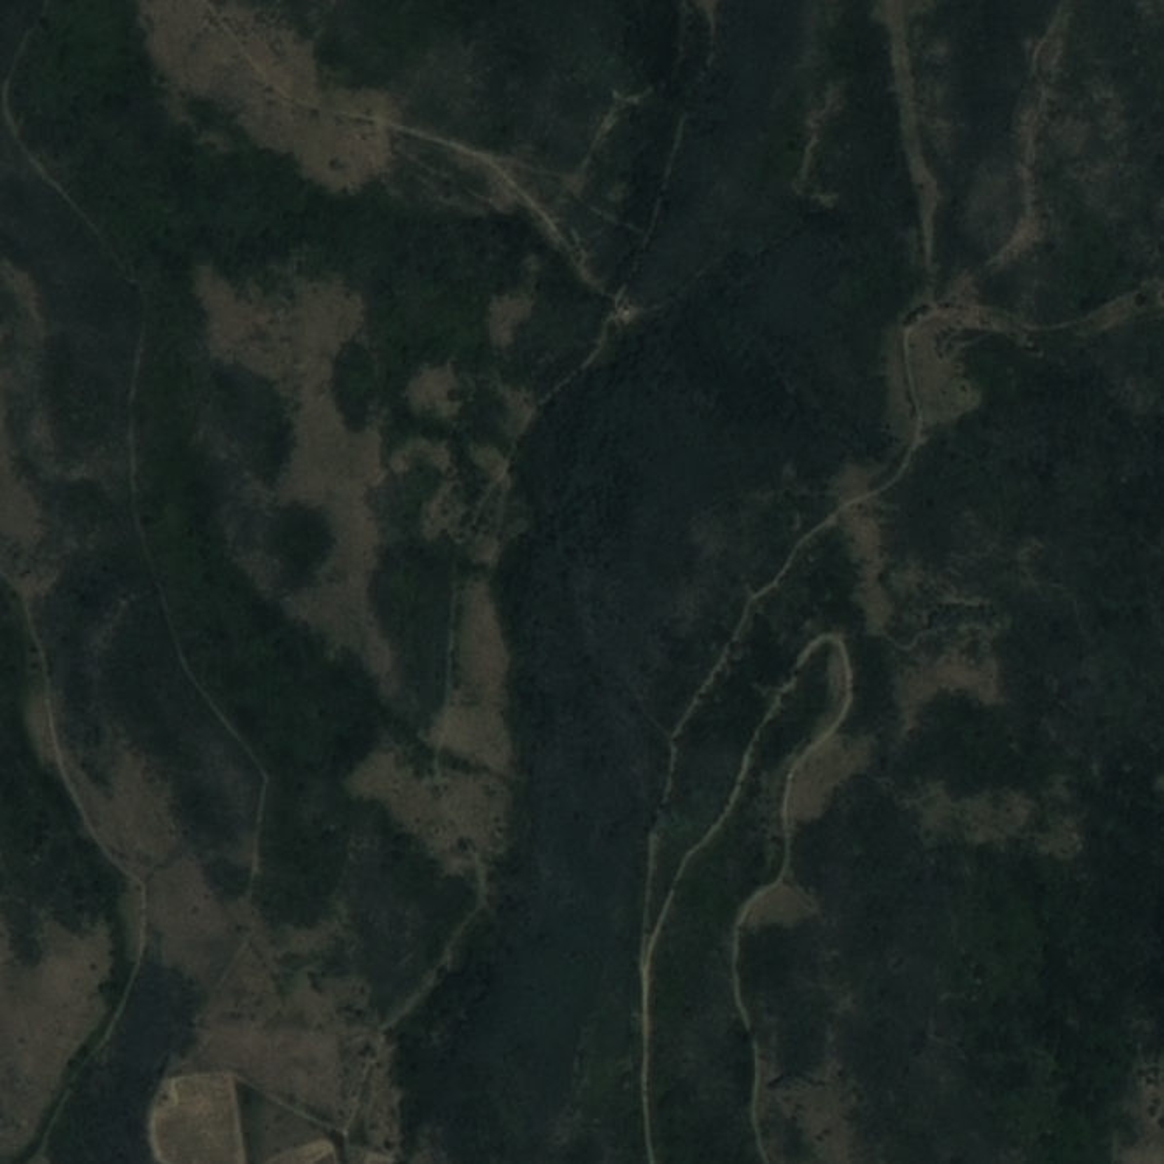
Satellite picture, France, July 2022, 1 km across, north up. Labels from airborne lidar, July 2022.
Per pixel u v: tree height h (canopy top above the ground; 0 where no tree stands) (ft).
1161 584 21
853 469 0
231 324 0
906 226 19
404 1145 23
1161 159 31
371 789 0
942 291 0
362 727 21
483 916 21
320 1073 0
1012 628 25
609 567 27
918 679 0
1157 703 27
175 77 0
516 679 25
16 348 0
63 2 0
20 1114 0
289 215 33
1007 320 0
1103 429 23
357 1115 0
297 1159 0
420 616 22
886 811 19
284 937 0
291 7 0
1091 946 18
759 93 0
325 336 0
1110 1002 19
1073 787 30
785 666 22
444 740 0
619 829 23
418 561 35
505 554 19
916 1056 21
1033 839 18
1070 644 23
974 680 0
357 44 0
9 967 0
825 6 0
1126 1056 20
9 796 20
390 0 0
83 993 0
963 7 21
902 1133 0
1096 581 26
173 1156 0
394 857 31
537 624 33
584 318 22
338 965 24
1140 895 30
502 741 0
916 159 0
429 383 0
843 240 26
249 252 19
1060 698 28
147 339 0
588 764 18
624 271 20
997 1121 20
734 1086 22
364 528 0
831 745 0
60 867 22
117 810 0
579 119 0
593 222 0
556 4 0
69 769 0
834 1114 0
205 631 20
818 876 22
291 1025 0
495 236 26
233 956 0
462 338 0
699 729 37
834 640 0
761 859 30
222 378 21
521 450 36
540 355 25
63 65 19
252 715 22
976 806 0
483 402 31
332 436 0
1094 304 22
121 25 0
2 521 0
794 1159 0
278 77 0
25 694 0
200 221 21
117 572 18
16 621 0
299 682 26
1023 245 0
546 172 0
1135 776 32
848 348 18
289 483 0
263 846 0
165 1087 0
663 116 25
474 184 0
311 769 28
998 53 0
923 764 18
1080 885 19
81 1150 18
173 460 25
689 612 0
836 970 0
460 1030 24
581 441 27
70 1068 33
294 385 0
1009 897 20
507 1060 17
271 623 28
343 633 0
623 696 19
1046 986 35
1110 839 31
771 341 23
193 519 19
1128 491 31
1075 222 20
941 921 0
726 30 24
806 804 0
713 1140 21
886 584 41
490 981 25
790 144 18
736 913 0
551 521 26
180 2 0
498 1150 22
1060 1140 21
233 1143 0
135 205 17
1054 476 25
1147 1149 0
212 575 21
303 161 0
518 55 23
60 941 0
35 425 0
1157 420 31
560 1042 0
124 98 23
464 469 33
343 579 0
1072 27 0
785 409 27
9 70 0
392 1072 20
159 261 18
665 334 28
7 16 0
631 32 38
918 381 0
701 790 30
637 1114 18
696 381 30
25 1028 0
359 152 0
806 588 22
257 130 0
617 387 25
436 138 0
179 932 0
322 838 25
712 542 0
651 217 24
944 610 38
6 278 0
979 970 24
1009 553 18
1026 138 0
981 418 18
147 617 23
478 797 0
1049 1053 40
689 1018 28
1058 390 25
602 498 31
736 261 35
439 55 0
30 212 0
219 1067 0
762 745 24
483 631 0
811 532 24
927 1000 0
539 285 27
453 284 25
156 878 0
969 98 0
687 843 23
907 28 0
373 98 0
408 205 0
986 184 0
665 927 19
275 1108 0
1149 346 22
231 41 0
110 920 28
